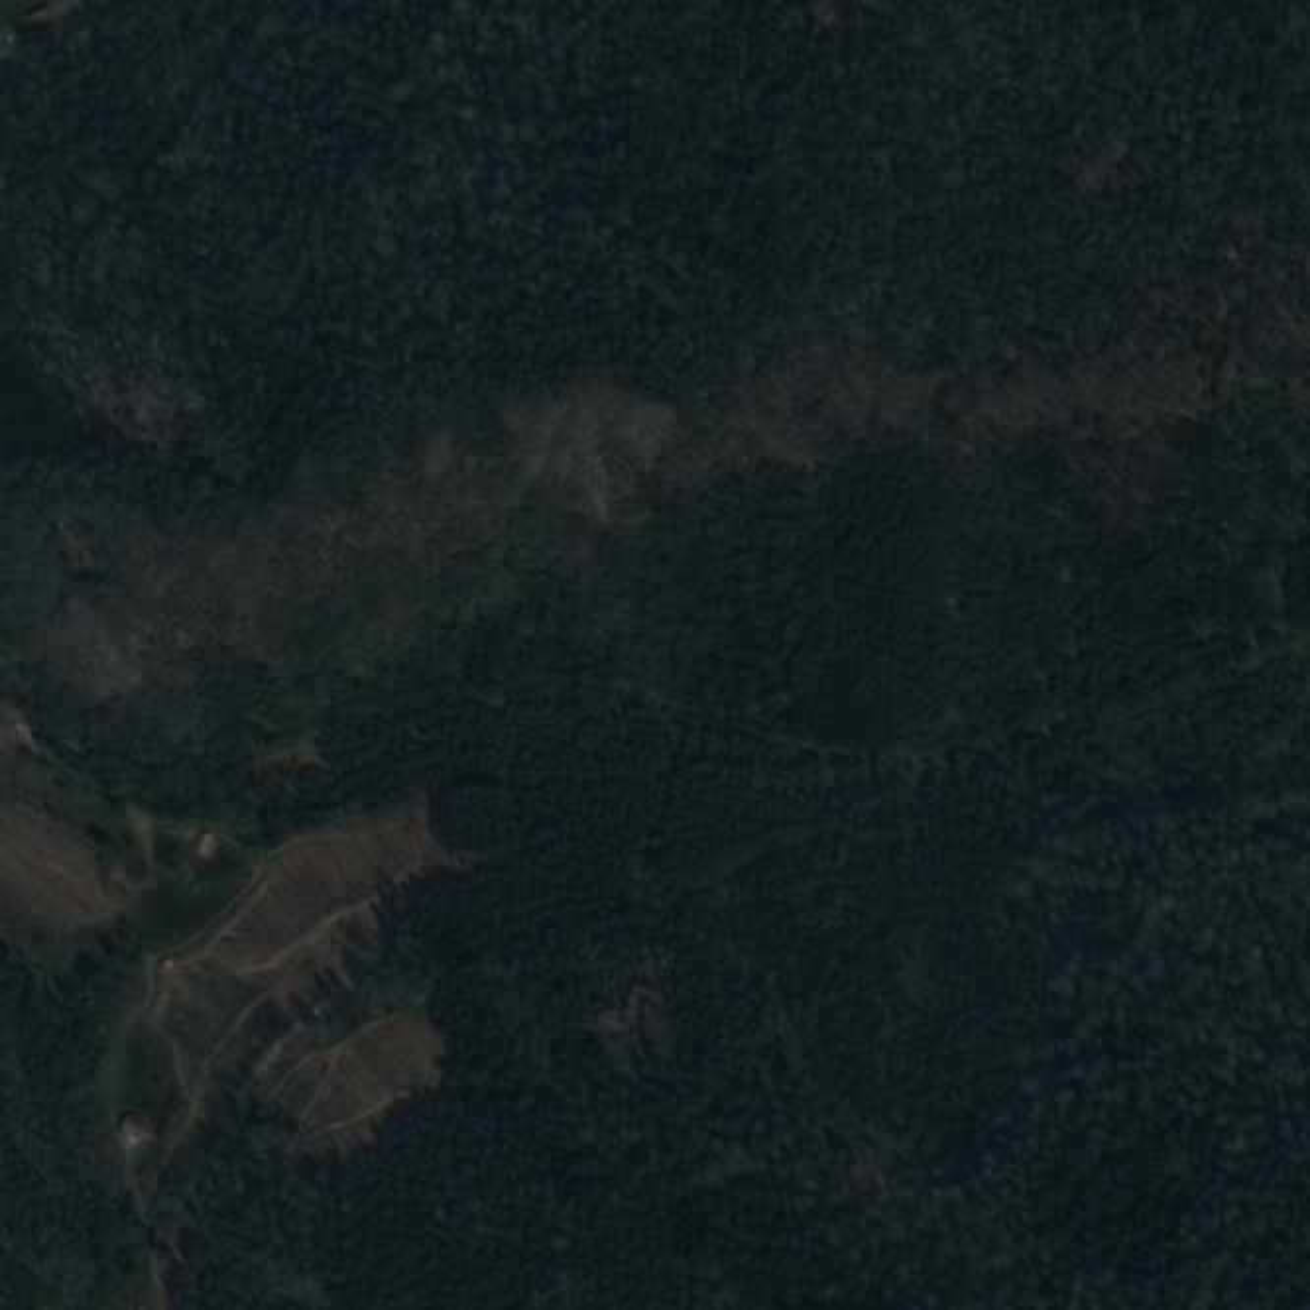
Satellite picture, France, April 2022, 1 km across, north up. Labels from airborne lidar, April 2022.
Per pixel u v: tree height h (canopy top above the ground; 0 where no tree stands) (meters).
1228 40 30
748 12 20
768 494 19
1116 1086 7
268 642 21
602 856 26
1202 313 25
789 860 19
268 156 32
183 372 27
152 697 17
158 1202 7
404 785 33
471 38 28
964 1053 19
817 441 19
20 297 13
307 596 25
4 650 24
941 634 25
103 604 14
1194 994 30
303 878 0
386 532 17
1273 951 35
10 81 11
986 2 22
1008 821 23
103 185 22
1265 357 28
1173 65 19
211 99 24
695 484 27
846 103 19
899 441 26
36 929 0
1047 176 22
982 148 19
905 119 12
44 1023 29
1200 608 13
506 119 26
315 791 23
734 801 24
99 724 23
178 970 0
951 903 18
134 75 31
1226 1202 17
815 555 18
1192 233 26
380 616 21
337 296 27
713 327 21
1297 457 28
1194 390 24
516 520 25
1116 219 12
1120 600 26
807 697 26
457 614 11
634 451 11
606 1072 16
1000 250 23
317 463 16
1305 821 14
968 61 21
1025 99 20
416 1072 0
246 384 14
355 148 30
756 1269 20
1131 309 29
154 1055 0
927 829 19
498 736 27
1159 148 21
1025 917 8
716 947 27
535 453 0
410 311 26
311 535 23
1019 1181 37
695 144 22
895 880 15
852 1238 22
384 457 21
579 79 20
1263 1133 12
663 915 19
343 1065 0
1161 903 30
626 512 21
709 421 28
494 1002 26
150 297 18
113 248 31
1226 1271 33
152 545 16
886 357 15
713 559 19
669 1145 12
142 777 26
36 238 16
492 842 36
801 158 19
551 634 20
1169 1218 18
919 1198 18
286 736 20
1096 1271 15
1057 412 28
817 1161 36
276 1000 0
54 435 12
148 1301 0
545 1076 6
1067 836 22
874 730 19
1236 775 6
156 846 0
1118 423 22
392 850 0
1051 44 19
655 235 28
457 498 23
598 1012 26
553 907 27
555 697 23
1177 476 20
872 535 18
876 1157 23
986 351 34
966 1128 11
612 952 29
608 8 26
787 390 31
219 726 22
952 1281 22
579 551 27
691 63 21
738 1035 26
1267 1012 30
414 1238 21
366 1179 17
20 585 24
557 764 30
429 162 36
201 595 22
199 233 21
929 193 15
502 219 29
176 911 0
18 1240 24
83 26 9
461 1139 21
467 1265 13
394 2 30
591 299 26
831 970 10
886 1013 7
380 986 30
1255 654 19
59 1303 11
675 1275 13
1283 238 16
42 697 22
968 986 20
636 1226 16
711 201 23
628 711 7
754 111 13
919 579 28
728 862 33
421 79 30
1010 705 26
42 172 23
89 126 23
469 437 19
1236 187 21
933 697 20
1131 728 6
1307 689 8
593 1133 17
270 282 24
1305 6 20
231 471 7
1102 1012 21
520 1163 19
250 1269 19
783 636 13
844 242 22
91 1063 18
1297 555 23
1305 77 22
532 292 31
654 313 25
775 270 14
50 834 0
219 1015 0
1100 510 20
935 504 22
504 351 21
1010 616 20
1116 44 25
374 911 0
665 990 18
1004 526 27
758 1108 26
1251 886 18
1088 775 24
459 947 24
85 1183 11
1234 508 20
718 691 26
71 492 20
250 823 16
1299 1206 13
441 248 27
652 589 22
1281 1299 29
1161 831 36
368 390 25
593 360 17
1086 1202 20
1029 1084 19
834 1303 11
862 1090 11
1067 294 26
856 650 21
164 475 22
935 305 16
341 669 21
